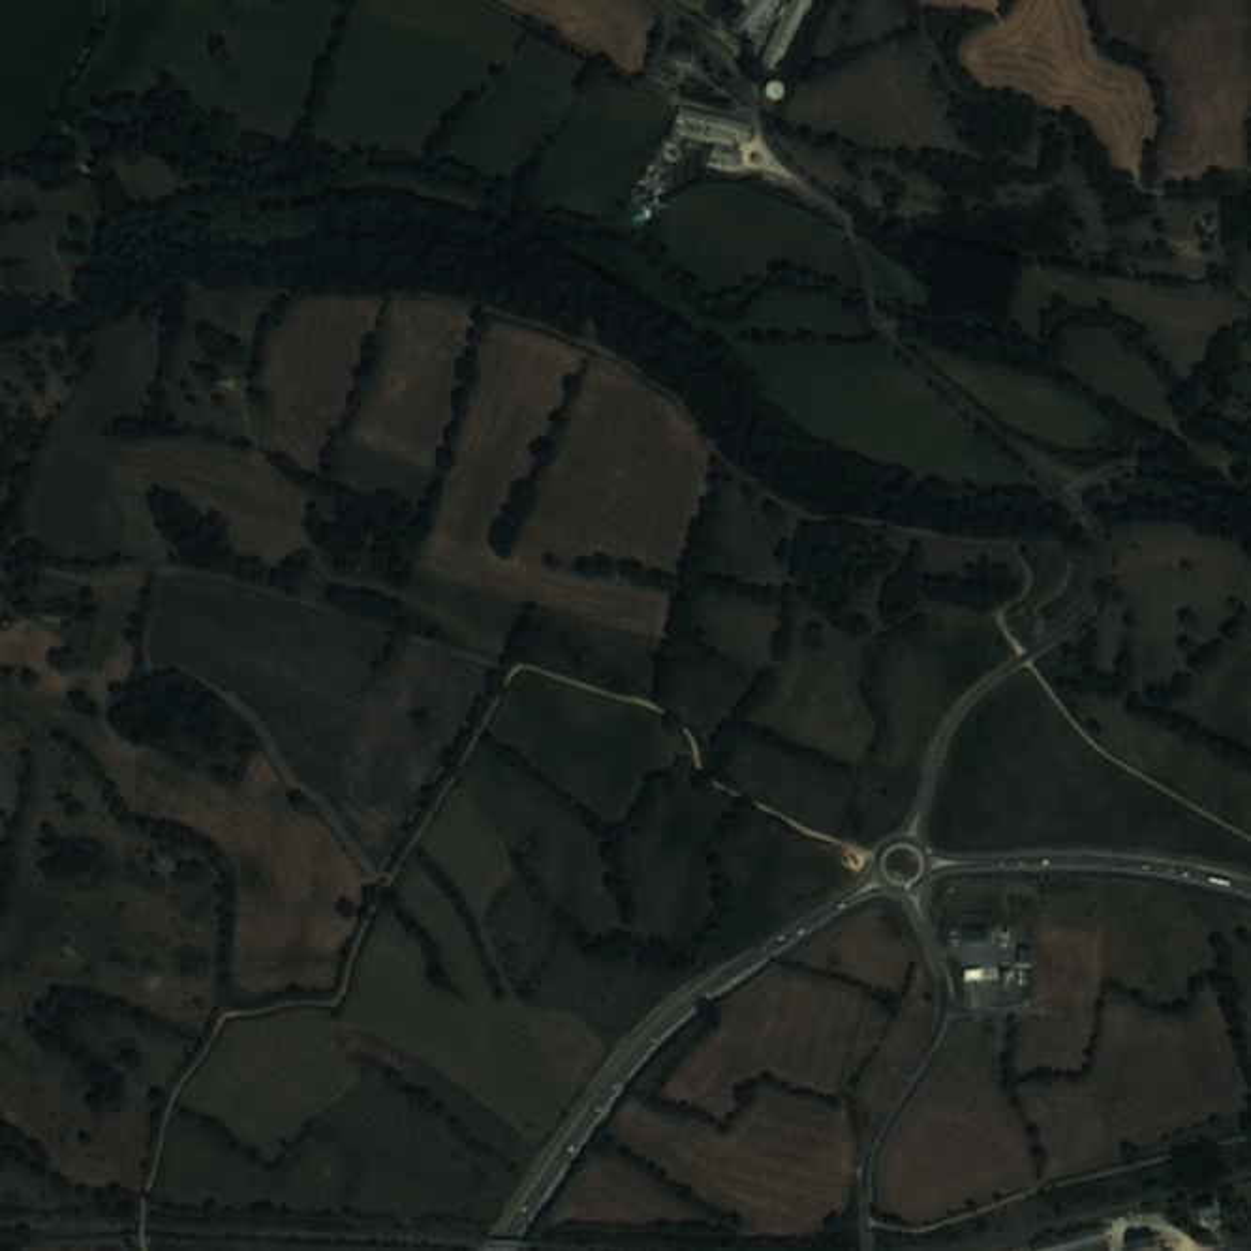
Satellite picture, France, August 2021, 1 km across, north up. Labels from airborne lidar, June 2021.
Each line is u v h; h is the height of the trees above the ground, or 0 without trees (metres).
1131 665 10
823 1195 0
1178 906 0
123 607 0
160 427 12
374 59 0
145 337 0
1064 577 0
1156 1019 0
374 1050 0
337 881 0
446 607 0
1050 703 0
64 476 0
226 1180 0
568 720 0
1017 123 9
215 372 7
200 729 9
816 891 0
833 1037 0
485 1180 0
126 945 0
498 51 0
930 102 0
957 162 11
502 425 0
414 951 0
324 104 14
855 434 0
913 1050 0
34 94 0
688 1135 0
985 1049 0
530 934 0
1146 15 0
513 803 0
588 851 0
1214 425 13
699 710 0
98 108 13
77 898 0
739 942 0
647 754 0
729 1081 0
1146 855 0
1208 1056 0
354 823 0
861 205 7
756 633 0
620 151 0
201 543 8
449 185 10
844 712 0
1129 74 0
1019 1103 8
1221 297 0
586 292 18
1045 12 0
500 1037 0
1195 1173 12
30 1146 11
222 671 0
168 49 0
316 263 15
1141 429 11
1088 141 10
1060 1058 0
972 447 0
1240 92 0
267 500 0
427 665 0
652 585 11
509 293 14
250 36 0
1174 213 0
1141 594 0
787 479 15
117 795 7
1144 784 0
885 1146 0
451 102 0
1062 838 0
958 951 0
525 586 0
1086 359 0
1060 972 0
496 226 15
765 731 6
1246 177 0
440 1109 8
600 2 0
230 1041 0
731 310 13
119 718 13
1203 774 0
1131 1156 11
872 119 0
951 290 33
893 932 0
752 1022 0
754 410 7
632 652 0
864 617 7
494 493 0
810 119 0
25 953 0
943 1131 0
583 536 0
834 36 0
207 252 13
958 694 0
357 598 12
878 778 0
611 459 0
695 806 0
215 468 0
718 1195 0
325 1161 0
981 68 0
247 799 0
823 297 9
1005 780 0
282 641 0
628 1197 0
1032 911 0
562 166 0
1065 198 9
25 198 0
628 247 14
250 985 0
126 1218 6
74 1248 0
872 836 0
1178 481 13
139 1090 0
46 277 0
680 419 0
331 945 0
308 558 7
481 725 11
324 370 0
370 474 0
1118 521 7
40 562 13
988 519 14
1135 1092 0
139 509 0
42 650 0
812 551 10
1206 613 0
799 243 0
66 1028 10
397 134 0
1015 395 0
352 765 0
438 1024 0
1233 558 0
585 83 12
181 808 0
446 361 0
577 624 0
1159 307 0
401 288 9
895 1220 7
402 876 0
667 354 20
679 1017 0
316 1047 0
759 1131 0
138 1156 0
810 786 0
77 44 0
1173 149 0
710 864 9
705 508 10
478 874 0
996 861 0
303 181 17
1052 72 0
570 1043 0
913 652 0
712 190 0
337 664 0
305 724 0
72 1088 0
